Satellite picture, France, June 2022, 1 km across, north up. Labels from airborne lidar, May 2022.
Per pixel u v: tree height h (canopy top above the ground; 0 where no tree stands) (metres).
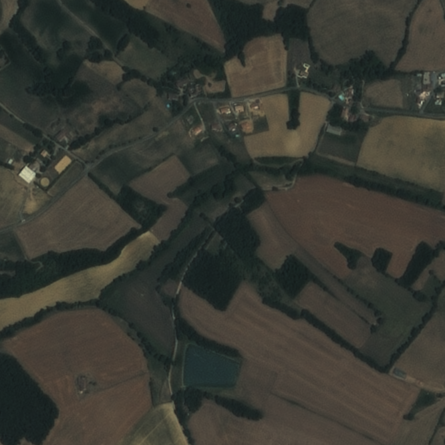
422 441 0
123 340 0
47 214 0
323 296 0
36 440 20
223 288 14
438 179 0
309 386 0
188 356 0
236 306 0
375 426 0
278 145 0
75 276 0
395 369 0
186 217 11
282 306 14
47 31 0
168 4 0
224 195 11
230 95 7
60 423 0
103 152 8
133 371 0
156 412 0
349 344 9
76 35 0
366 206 0
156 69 0
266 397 0
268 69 0
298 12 17
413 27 0
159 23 0
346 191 0
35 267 7
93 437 0
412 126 0
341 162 0
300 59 0
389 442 0
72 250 7
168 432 0
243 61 6
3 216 0
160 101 0
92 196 0
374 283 0
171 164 0
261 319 0
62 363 0
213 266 19
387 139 0
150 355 8
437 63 0
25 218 0
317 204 0
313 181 0
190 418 0
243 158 0
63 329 0
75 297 0
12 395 25
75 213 0
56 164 0
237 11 14
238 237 20
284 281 8
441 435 0
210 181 0
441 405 0
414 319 0
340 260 0
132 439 0
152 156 0
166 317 0
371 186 11
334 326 0
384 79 10
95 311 0
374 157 0
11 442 18
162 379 0
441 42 0
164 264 0
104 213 0
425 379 0
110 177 0
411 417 12
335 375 0
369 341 0
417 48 0
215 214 0
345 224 0
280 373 0
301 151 0
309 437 0
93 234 0
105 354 0
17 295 13
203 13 0
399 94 0
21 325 19
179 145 0
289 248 0
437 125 0
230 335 0
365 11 0
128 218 0
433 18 0
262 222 0
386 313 0
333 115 9
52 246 0
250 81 0
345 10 0
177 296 9
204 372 0
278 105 0
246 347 0
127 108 0
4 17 0
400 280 14
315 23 0
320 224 0
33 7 0
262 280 6
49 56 0
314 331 0
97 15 0
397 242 0
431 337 0
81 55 0
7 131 0
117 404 0
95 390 0
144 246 0
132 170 0
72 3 0
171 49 0
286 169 15
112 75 0
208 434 0
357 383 0
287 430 0
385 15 0
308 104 0
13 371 20
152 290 0
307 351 0
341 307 0
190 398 14
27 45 12
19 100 0
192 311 0
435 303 8
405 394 0
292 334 0
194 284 15
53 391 0
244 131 0
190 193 0
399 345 0
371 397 0
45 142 10
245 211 10
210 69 0
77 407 0
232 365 0
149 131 0
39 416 19
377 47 0
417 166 0
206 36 0
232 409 12
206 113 0
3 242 0
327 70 7
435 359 0
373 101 0
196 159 0
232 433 0
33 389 18
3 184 0
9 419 23
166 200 0
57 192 0
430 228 0
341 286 0
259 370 0
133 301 0
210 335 0
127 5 20
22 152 0
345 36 0
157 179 0
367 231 0
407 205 0
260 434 0
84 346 0
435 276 7
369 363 12
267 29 15
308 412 0
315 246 0
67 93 23
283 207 0
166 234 0
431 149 0
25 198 0
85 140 12
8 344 0
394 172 0
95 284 0
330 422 0
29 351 0
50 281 10
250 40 10
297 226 0
